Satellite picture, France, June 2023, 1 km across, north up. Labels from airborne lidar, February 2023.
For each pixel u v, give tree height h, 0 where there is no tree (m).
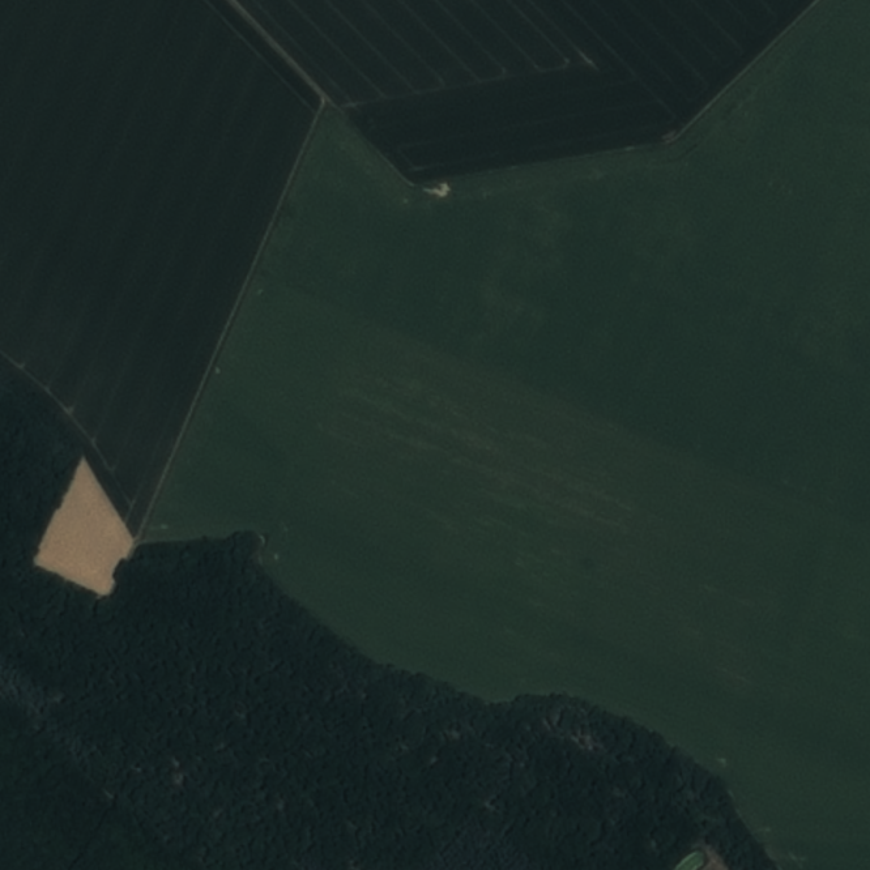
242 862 19
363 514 0
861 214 0
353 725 22
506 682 0
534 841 21
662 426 0
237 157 0
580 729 17
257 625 22
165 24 0
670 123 0
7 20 0
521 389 0
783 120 0
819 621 0
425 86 0
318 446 0
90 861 20
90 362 0
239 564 18
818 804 0
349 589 0
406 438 0
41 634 19
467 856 15
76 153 0
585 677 0
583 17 0
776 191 0
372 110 0
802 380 0
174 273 0
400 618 0
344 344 0
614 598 0
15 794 21
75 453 17
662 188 0
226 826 20
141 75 0
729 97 0
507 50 0
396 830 19
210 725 18
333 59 0
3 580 22
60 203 0
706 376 0
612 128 0
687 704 0
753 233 0
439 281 0
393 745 18
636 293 0
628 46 0
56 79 0
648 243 0
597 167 0
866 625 0
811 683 0
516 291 0
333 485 0
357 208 0
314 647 20
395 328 0
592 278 0
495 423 0
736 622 0
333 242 0
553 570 0
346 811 16
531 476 0
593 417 0
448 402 0
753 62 0
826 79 0
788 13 0
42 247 0
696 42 0
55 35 0
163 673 20
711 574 0
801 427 0
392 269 0
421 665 0
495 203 0
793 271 0
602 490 0
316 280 0
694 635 0
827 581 0
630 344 0
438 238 0
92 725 21
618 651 0
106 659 21
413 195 0
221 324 0
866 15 0
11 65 0
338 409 0
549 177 0
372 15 0
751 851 19
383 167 0
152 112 0
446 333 0
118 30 0
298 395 0
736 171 0
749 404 0
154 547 9
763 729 0
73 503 0
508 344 0
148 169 0
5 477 17
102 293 0
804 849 0
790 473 0
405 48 0
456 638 0
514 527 0
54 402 0
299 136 0
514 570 0
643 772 21
